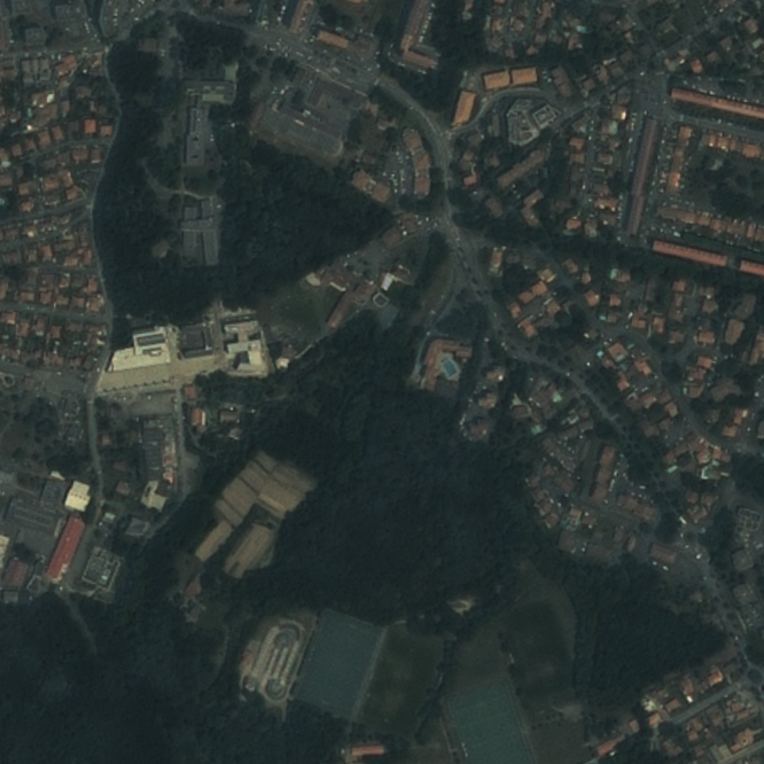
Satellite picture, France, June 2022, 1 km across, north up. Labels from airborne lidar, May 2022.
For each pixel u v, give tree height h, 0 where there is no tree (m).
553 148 8
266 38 0
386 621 16
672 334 0
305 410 6
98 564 0
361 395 25
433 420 18
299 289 0
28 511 0
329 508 21
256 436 10
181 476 0
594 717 14
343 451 14
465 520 19
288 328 0
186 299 28
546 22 7
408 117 11
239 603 6
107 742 27
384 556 18
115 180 16
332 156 0
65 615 29
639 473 15
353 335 8
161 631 26
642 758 15
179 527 21
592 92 11
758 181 14
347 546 15
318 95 0
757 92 13
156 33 16
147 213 17
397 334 27
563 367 13
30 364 8
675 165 0
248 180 16
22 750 28
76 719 28
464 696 0
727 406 8
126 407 0
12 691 27
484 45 15
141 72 15
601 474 0
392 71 17
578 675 24
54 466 12
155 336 0
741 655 10
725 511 16
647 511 0
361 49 0
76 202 0
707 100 0
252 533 0
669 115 0
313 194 20
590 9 12
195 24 14
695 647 16
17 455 13
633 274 14
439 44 7
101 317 0
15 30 8
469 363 12
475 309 19
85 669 33
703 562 0
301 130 0
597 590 27
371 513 14
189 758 24
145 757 32
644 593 15
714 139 0
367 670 0
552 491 0
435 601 12
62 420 0
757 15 12
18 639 23
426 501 19
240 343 0
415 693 0
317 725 13
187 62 10
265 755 25
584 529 6
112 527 8
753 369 6
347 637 0
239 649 9
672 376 20
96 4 0
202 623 0
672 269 28
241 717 22
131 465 11
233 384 8
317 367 12
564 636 0
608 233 10
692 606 8
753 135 0
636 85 10
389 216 25
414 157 0
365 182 0
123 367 0
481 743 0
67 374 0
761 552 0
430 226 0
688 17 0
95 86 7
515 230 23
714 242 16
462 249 8
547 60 23
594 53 17
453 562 25
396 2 0
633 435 14
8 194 7
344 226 25
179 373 0
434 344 0
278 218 23
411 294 17
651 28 13
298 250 22
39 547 0
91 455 10
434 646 0
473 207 13
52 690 26
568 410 6
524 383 18
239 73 14
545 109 0
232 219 20
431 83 20
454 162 6
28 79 0
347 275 0
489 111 7
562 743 0
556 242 18
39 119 0
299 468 9
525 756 0
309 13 0
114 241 17
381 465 12
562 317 21
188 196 8
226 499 0
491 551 7
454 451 23
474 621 18
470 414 0
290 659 0
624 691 27
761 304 24
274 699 0
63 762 27
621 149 7
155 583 22
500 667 0
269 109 0
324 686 0
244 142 28
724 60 7
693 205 0
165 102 31
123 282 19
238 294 19
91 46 0
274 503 0
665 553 0
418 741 6
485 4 15
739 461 24
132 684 28
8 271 13
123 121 12
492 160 0
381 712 0
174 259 9
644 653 15
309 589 17
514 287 18
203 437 9
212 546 0
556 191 21
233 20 6
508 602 26
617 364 7
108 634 21
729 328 0
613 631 24
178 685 28
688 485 14
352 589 13
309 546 16
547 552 28
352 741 10
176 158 21
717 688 8
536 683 0
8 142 17
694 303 0
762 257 15
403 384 6
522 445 8
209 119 9
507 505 23
